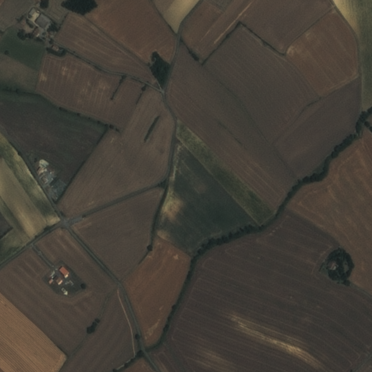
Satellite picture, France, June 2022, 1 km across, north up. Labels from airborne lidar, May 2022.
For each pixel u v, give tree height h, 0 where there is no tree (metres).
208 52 0
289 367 0
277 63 0
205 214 0
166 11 0
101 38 0
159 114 0
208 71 0
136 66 0
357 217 0
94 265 0
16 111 0
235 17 0
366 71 0
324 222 0
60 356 0
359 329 0
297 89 0
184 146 0
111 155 0
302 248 0
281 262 0
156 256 0
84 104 0
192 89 0
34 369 0
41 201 0
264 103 0
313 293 0
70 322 0
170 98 0
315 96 0
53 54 7
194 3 0
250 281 0
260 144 0
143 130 0
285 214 0
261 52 0
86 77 0
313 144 0
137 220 0
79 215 0
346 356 0
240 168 0
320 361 0
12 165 0
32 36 11
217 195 0
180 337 0
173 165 0
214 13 0
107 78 0
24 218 0
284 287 0
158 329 0
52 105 0
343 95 0
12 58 0
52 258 0
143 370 0
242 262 0
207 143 0
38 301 0
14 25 0
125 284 0
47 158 0
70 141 0
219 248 0
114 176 0
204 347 0
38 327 0
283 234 0
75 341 0
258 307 0
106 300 0
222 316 0
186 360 0
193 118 0
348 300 0
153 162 0
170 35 0
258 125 0
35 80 0
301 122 0
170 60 0
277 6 0
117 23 0
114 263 0
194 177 0
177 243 0
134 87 0
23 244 0
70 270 0
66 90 0
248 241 0
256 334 0
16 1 0
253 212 0
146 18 0
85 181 0
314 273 0
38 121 0
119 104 0
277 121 0
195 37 0
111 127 11
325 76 0
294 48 0
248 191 0
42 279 0
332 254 10
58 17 0
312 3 0
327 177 0
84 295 0
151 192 0
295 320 0
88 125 0
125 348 0
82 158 0
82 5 12
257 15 0
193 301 0
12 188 0
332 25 0
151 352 0
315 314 0
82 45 0
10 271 0
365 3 0
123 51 0
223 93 0
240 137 0
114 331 0
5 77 0
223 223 0
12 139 0
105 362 0
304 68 0
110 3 0
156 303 0
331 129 0
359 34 0
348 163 0
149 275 0
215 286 0
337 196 0
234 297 0
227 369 0
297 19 0
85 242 0
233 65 0
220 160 0
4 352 0
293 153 0
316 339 0
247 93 0
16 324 0
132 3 0
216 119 0
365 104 0
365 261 0
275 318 0
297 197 0
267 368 0
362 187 0
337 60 0
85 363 0
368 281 0
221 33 0
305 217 0
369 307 0
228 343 0
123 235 0
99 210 0
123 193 0
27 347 0
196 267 0
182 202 0
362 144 0
